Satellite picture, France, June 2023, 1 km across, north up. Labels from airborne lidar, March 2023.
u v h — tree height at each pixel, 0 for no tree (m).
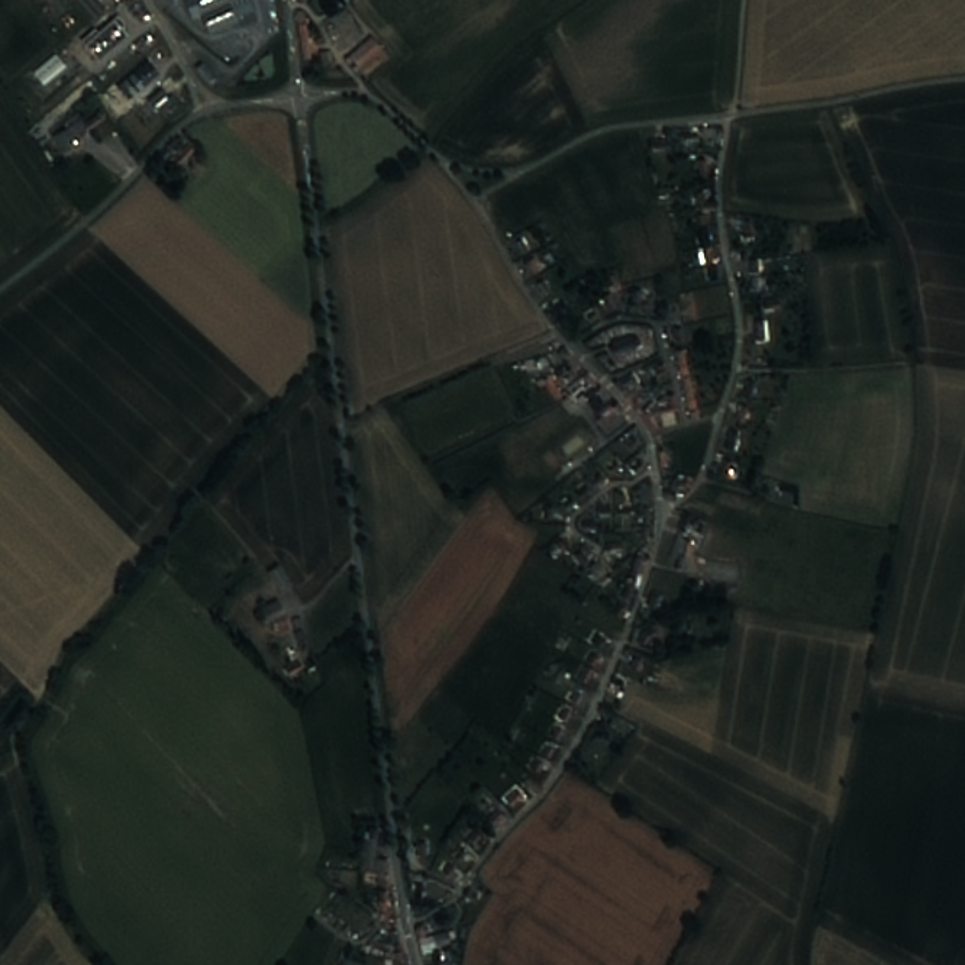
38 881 0
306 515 0
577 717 0
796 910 0
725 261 0
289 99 0
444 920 12
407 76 0
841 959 0
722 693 0
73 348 0
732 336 0
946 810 0
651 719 0
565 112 0
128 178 0
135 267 0
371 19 0
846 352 0
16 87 0
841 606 0
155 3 0
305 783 0
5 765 0
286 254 0
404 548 0
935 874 0
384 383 0
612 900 0
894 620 0
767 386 0
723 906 0
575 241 0
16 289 0
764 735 0
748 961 0
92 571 0
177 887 0
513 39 0
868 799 0
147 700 0
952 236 0
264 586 0
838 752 0
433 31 0
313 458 0
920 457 0
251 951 0
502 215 0
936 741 0
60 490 0
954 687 0
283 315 0
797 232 0
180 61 0
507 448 0
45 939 0
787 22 0
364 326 0
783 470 0
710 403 0
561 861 0
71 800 0
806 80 0
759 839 0
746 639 0
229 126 0
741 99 0
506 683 0
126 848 0
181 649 0
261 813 0
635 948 0
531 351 0
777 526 0
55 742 0
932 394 0
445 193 0
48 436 0
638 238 0
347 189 0
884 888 0
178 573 0
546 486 0
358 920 0
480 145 0
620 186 0
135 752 0
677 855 0
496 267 0
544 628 0
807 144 0
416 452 0
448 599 0
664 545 0
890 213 0
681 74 0
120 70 0
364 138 0
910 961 0
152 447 0
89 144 0
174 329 0
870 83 0
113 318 0
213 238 0
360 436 0
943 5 0
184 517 11
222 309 0
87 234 0
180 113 0
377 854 0
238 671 0
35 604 0
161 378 0
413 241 0
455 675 0
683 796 0
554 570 0
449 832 7
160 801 0
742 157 0
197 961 0
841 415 0
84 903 0
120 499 0
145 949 0
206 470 0
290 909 0
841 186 0
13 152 0
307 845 0
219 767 0
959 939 0
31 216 0
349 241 0
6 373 0
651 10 0
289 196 0
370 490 0
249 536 0
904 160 0
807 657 0
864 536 0
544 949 0
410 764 0
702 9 0
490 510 0
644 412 0
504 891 0
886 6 0
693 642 9
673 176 6
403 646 0
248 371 0
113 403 0
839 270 0
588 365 0
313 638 0
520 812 0
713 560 0
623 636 0
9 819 0
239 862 0
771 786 0
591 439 0
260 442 0
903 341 0
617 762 0
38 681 0
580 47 0
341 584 0
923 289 0
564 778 0
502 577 0
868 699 0
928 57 0
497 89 0
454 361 0
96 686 0
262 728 0
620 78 0
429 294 0
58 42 0
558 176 0
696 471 0
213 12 0
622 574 0
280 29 0
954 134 0
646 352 0
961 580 0
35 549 0
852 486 0
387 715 0
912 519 0
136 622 0
